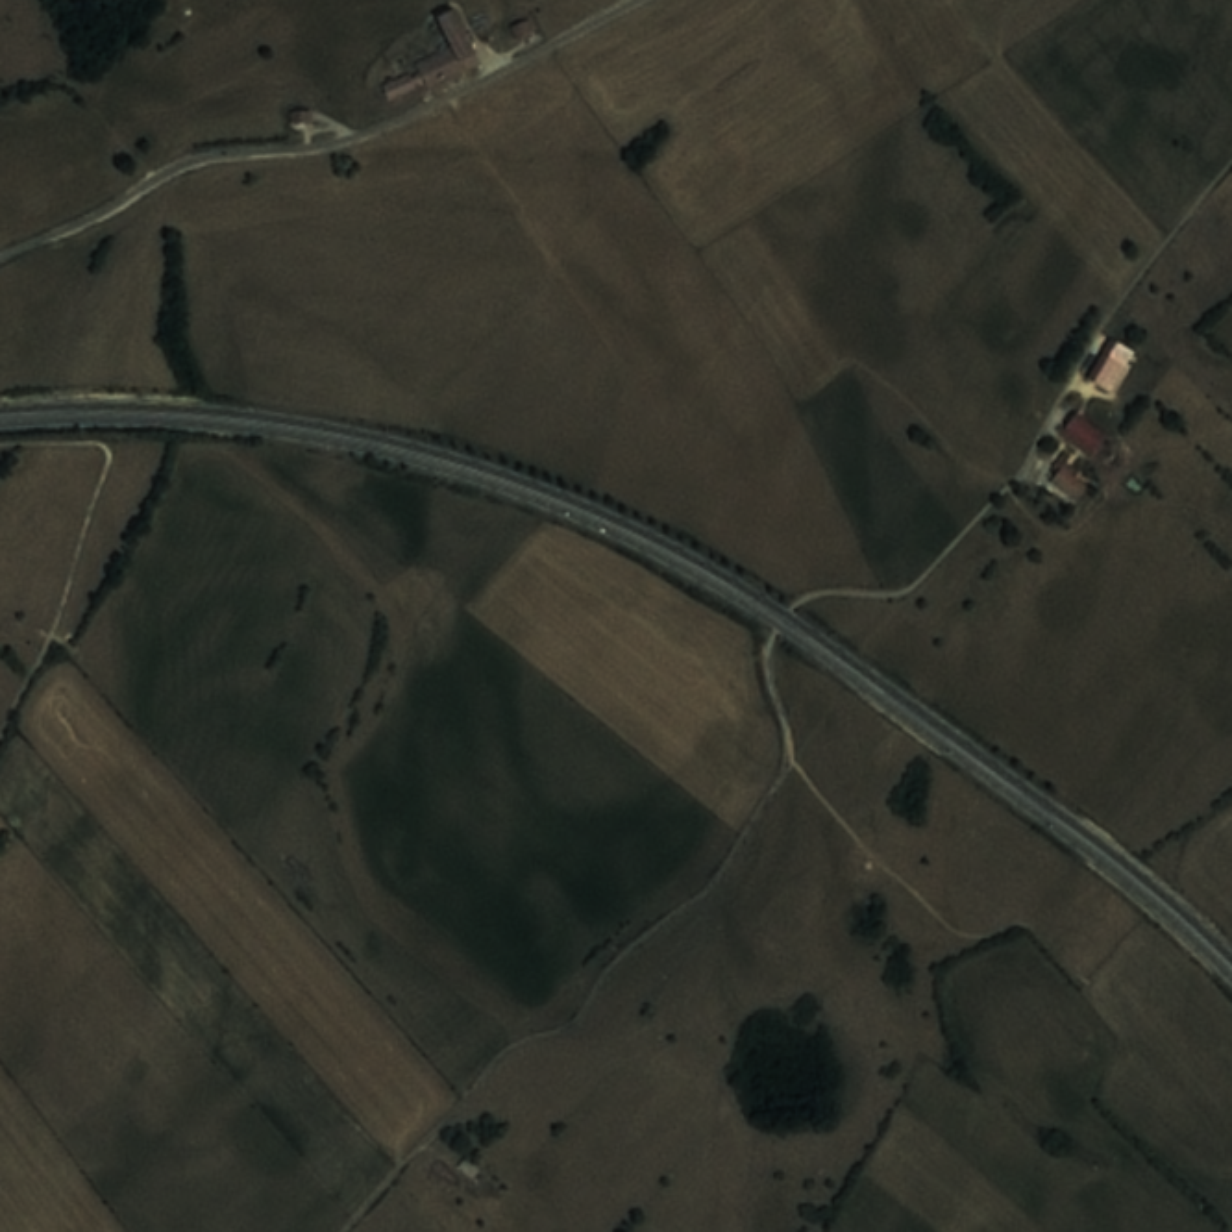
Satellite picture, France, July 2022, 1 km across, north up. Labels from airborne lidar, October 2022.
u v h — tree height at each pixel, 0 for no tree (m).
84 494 0
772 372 0
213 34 0
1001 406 0
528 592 0
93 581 0
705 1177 0
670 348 0
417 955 0
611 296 0
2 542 0
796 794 0
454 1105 0
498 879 0
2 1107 0
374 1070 0
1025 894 0
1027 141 0
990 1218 0
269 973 0
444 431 0
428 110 0
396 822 0
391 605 0
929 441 9
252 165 0
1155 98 0
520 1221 0
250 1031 0
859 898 0
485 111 0
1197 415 0
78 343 0
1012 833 0
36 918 0
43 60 0
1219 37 0
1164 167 0
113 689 0
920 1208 0
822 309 0
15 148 0
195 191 0
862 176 0
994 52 0
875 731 0
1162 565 0
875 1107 0
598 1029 0
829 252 0
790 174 0
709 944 0
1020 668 0
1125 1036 0
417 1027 0
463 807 0
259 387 0
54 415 0
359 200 0
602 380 0
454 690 0
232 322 0
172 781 0
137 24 16
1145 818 0
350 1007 0
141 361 0
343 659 0
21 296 0
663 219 0
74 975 0
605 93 0
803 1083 7
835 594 0
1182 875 0
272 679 0
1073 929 0
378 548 0
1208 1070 0
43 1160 0
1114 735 0
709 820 0
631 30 0
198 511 0
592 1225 0
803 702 0
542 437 0
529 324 0
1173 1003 0
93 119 0
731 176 0
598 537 0
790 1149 0
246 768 0
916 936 0
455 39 0
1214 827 0
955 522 0
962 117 0
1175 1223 0
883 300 0
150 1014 0
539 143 0
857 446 0
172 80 0
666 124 6
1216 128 0
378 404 0
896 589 0
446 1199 0
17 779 0
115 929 0
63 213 0
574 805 0
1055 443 7
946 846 0
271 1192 0
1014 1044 0
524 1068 0
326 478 0
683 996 0
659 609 0
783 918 0
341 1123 0
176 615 0
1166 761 0
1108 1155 0
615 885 0
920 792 9
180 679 0
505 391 0
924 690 0
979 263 0
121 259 0
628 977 0
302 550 0
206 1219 0
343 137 0
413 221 0
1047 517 8
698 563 0
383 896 0
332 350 0
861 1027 0
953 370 0
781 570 0
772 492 0
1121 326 0
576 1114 0
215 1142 0
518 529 0
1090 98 0
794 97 0
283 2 0
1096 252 0
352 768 0
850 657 0
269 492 0
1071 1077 0
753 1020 7
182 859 0
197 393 10
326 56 0
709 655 0
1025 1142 0
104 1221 0
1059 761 0
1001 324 0
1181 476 0
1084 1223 0
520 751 0
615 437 0
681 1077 0
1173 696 0
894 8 0
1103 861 0
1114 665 0
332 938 0
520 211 0
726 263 0
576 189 0
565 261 0
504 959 0
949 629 0
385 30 0
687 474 0
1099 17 0
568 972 0
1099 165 0
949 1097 0
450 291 0
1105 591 0
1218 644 0
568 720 0
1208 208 0
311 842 0
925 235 0
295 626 0
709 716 0
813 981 0
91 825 0
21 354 0
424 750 0
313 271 0
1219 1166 0
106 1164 0
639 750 0
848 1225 0
